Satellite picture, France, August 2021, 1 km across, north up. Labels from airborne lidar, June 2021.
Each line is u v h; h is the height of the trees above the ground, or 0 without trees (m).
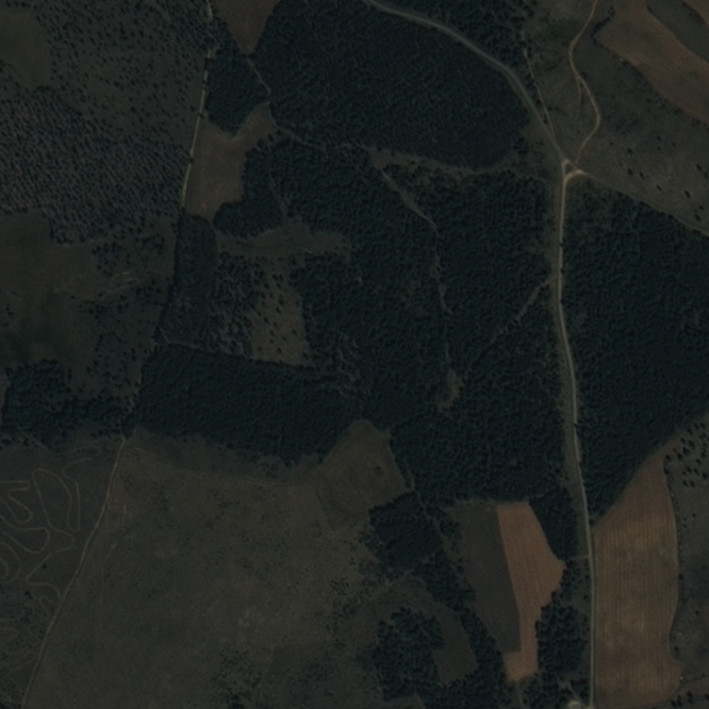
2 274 0
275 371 12
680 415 10
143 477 0
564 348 0
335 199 11
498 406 11
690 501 0
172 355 10
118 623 0
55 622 0
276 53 15
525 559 0
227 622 0
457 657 0
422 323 13
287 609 0
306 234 0
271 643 0
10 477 0
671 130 0
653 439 11
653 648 0
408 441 11
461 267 14
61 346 0
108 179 13
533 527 0
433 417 12
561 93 0
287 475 0
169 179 11
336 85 15
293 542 0
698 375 14
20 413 15
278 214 15
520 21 8
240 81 14
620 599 0
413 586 0
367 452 0
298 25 14
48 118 12
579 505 0
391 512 16
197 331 14
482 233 12
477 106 14
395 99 9
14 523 0
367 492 0
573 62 0
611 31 0
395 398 14
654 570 0
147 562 0
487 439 8
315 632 0
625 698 0
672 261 14
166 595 0
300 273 9
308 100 8
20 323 0
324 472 0
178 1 13
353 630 0
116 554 0
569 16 0
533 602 0
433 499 9
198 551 0
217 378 9
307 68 11
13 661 0
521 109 11
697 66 0
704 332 7
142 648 0
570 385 0
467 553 0
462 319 15
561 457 6
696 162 0
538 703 9
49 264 0
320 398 15
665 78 0
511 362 7
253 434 12
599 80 0
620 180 0
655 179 0
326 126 9
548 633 11
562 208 0
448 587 10
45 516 0
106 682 0
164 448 0
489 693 9
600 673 0
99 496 0
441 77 9
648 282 15
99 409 13
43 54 0
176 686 0
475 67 12
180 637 0
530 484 15
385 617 0
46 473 0
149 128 11
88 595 0
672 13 0
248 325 13
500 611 0
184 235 15
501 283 14
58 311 0
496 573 0
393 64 12
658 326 14
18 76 0
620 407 14
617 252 9
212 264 15
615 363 16
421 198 8
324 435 11
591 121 0
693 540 0
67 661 0
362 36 7
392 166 6
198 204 0
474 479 9
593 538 0
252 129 0
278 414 12
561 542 10
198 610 0
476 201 10
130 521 0
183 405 11
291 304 0
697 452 0
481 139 14
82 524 0
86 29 13
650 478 0
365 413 12
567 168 0
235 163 0
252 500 0
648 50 0
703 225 0
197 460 0
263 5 0
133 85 12
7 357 0
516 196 11
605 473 11
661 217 12
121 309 7
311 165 14
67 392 10
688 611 0
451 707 10
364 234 9
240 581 0
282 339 0
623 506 0
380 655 14
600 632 0
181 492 0
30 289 0
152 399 11
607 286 11
